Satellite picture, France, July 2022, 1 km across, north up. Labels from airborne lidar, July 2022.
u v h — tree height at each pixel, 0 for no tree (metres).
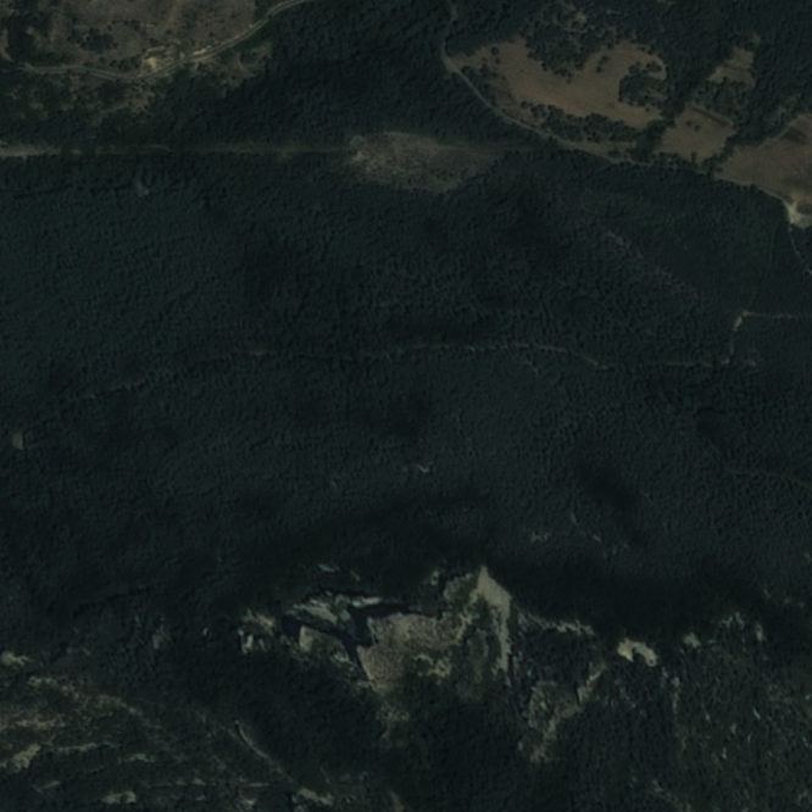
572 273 14
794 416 16
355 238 18
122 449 19
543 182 9
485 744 11
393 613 0
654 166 11
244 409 14
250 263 21
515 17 16
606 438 14
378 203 20
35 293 14
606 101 0
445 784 12
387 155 0
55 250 19
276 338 18
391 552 15
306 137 7
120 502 11
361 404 20
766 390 11
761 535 14
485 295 16
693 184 17
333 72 16
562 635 12
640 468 17
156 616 8
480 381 14
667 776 10
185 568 18
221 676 12
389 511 11
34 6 7
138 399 17
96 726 7
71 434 15
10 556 15
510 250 18
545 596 8
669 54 13
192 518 14
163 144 6
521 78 0
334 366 18
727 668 10
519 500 15
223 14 0
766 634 7
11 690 7
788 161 0
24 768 10
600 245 11
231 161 12
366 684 7
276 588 10
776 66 10
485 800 14
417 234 21
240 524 15
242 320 17
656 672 12
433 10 13
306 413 18
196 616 15
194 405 16
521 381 14
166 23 0
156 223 15
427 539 9
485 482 11
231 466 12
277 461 16
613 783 8
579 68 9
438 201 17
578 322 16
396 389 19
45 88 10
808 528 19
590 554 12
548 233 20
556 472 13
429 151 0
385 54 19
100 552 18
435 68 9
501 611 0
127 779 6
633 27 13
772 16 17
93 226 18
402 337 16
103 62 8
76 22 12
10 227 17
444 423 12
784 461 17
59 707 7
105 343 17
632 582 12
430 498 14
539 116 10
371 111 17
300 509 15
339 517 16
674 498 12
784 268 9
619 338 20
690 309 7
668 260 9
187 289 17
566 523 13
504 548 13
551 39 12
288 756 7
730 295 10
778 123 11
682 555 12
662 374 19
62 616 13
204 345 15
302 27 12
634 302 23
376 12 19
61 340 17
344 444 13
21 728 8
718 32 10
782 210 14
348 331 21
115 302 15
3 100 14
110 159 11
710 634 6
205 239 14
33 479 18
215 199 23
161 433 16
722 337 14
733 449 13
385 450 7
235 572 11
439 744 16
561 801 13
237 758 6
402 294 17
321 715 8
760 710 12
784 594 7
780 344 13
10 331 16
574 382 16
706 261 10
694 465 17
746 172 0
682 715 10
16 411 17
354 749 12
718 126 0
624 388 19
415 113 23
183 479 12
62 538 18
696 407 11
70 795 7
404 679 9
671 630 13
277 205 22
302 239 20
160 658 14
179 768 6
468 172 9
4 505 17
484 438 8
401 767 8
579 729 13
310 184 20
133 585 6
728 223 14
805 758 10
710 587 11
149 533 13
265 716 10
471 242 18
